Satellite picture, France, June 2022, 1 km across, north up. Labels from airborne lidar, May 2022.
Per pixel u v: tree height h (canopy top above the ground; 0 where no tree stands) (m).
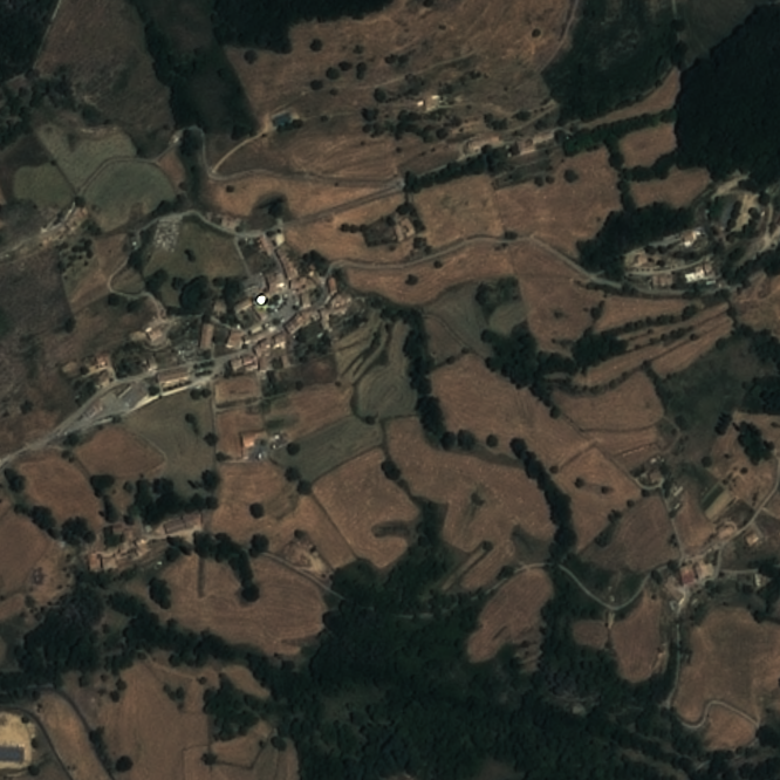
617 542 0
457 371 0
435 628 9
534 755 13
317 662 18
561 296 0
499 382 0
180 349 0
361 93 0
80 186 0
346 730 13
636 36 8
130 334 0
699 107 26
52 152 0
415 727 14
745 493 0
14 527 0
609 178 0
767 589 7
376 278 0
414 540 0
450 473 0
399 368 0
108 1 0
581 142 17
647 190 0
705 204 0
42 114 0
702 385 0
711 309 0
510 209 0
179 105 21
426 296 0
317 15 17
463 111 0
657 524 0
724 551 0
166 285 0
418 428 0
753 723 0
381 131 9
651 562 0
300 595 0
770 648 0
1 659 0
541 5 0
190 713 0
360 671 20
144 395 0
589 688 10
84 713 0
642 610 0
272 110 0
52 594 0
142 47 0
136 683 0
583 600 0
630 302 0
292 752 0
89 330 0
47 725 0
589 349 7
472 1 0
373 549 0
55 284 0
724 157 22
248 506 0
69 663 11
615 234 12
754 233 9
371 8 13
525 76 0
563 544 25
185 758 0
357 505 0
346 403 0
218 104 0
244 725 9
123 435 0
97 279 0
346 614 12
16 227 0
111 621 0
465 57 0
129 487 11
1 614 0
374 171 0
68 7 0
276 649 0
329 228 0
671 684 11
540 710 22
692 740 9
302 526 0
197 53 9
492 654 0
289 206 0
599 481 0
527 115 6
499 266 0
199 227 0
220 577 0
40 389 0
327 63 0
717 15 0
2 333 0
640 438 0
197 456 0
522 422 0
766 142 21
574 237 0
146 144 0
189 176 0
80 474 0
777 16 17
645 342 0
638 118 16
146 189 0
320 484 0
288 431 0
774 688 0
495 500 0
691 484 0
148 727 0
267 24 19
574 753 14
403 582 14
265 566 0
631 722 11
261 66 0
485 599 7
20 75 9
